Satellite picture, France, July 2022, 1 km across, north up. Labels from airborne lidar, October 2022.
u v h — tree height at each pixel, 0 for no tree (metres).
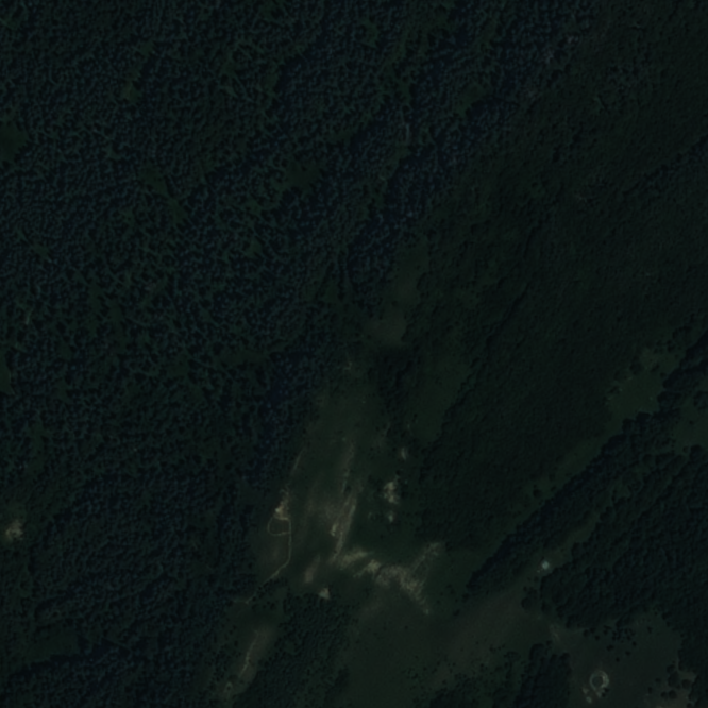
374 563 0
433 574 0
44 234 27
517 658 10
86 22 16
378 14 21
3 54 28
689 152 18
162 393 9
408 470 0
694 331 24
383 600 0
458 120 14
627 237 20
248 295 20
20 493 16
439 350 22
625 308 22
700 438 0
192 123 17
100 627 11
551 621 0
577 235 22
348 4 30
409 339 14
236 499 17
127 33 13
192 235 24
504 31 18
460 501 11
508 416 17
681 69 23
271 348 17
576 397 22
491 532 20
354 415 0
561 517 25
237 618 0
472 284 9
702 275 25
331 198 26
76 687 20
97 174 30
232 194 28
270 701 15
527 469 15
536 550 18
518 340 21
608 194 31
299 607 11
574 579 23
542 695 25
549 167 23
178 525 27
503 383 22
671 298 27
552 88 28
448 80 27
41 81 23
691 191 18
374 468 0
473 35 20
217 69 15
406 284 0
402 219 26
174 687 12
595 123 26
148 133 13
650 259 20
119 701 28
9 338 22
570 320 21
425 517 9
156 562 21
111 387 11
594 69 22
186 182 26
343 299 19
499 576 18
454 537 19
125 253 10
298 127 27
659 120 25
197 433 9
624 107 21
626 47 32
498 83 27
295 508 0
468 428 19
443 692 9
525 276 21
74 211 21
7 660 8
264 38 23
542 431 26
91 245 13
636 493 10
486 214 13
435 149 26
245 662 0
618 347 22
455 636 0
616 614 12
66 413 20
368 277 6
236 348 26
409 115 27
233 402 22
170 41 15
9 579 23
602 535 16
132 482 26
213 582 15
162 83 9
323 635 12
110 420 19
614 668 0
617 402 0
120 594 19
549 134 31
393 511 0
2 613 27
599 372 23
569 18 29
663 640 0
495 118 23
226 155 18
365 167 25
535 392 19
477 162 16
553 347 23
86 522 17
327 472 0
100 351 16
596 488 20
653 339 13
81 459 12
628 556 21
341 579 0
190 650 9
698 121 26
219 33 16
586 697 0
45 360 12
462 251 21
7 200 28
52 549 27
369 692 0
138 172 29
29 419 15
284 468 8
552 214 23
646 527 23
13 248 30
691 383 17
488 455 18
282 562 0
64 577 29
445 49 24
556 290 28
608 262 21
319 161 25
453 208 8
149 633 21
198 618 12
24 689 24
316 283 8
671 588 13
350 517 0
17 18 22
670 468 20
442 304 22
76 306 18
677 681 9
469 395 21
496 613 0
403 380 21
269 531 0
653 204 21
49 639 6
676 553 21
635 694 0
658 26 25
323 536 0
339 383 6
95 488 29
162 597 12
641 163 31
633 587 19
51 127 23
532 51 29
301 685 9
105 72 25
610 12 18
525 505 8
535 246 17
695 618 14
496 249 12
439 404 0
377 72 30
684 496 18
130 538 20
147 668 20
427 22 22
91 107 26
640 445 18
